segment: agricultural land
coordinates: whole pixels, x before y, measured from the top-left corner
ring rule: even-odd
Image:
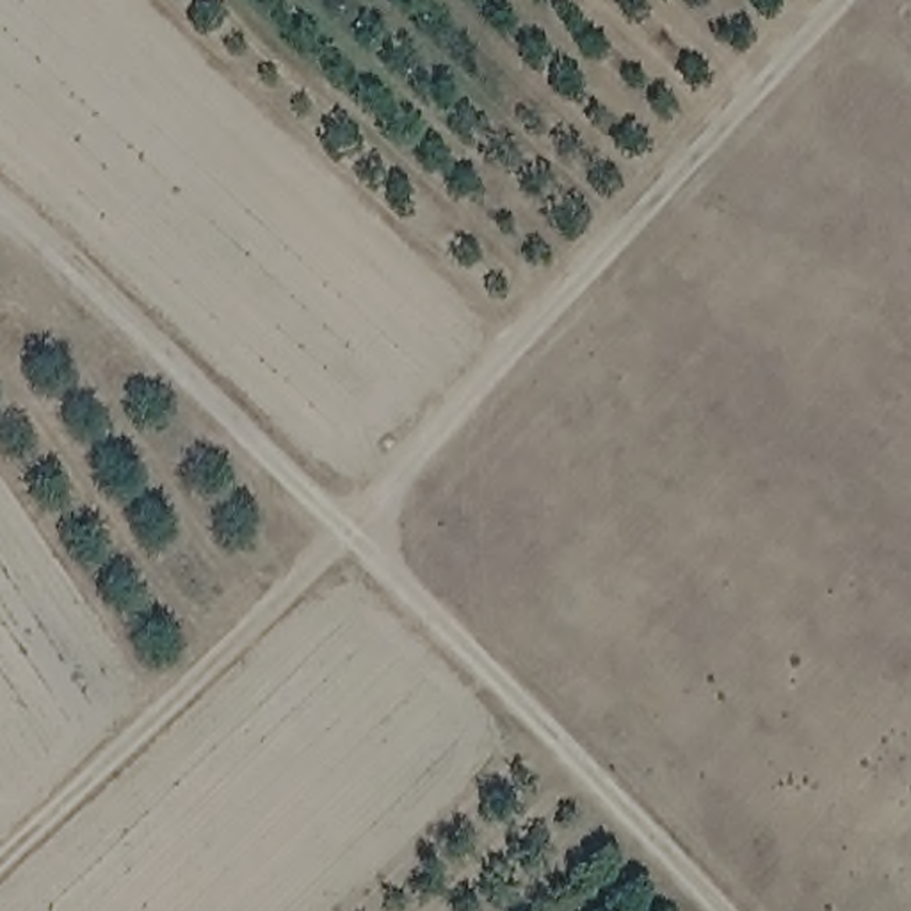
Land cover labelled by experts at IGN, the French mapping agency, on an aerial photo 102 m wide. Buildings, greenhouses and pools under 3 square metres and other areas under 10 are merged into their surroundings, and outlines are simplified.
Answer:
[[[96,655],[107,651],[121,633],[128,633],[117,612],[100,598],[96,580],[82,573],[82,566],[60,544],[60,537],[50,544],[43,530],[32,523],[28,509],[36,502],[28,495],[21,502],[14,488],[0,477],[0,829],[7,829],[11,818],[18,818],[39,797],[39,790],[46,790],[110,726],[103,705],[89,705],[75,690],[71,673],[57,665],[57,658],[46,651],[39,626],[32,623],[32,612],[43,609],[43,616],[57,623],[60,633],[82,626],[82,637],[93,644]]]
[[[267,644],[249,658],[246,669],[235,673],[235,680],[217,687],[189,719],[181,719],[157,744],[157,751],[149,751],[121,783],[114,783],[93,808],[85,808],[46,851],[39,851],[0,890],[0,911],[338,911],[349,900],[349,890],[374,883],[391,854],[406,847],[416,851],[420,840],[434,851],[445,843],[438,822],[463,815],[477,808],[480,779],[505,772],[523,776],[527,769],[523,758],[512,758],[505,751],[495,719],[477,705],[477,694],[484,687],[406,605],[399,605],[399,598],[356,555],[342,555],[278,612],[285,626],[274,637],[267,637]]]
[[[858,0],[818,39],[818,46],[779,82],[779,89],[772,89],[737,125],[737,132],[712,153],[712,160],[680,185],[669,206],[601,270],[601,278],[591,281],[591,288],[580,299],[573,299],[555,317],[555,324],[516,359],[516,367],[477,406],[477,413],[459,427],[459,434],[431,459],[431,466],[409,488],[399,512],[399,552],[409,573],[445,609],[452,609],[456,619],[477,637],[477,644],[495,662],[502,662],[566,726],[566,733],[644,808],[644,815],[712,879],[712,886],[730,904],[737,904],[737,911],[911,911],[911,0]]]
[[[302,452],[345,473],[349,495],[370,491],[391,470],[388,445],[409,441],[427,423],[427,416],[445,399],[452,399],[452,391],[484,363],[495,338],[480,335],[480,317],[466,310],[466,302],[384,224],[381,214],[370,214],[359,203],[356,189],[363,181],[359,178],[349,185],[335,178],[335,160],[324,153],[320,142],[306,149],[292,142],[260,107],[253,107],[253,100],[231,89],[224,75],[217,75],[196,53],[189,36],[196,28],[192,25],[189,32],[174,28],[146,0],[0,0],[0,164],[11,178],[32,189],[57,217],[64,217],[121,278],[128,278],[139,295],[146,295],[164,317],[171,317],[181,327],[181,335],[221,374],[228,374],[263,413],[270,413],[274,423]]]

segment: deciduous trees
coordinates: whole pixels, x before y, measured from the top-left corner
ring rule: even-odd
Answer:
[[[93,480],[121,502],[135,537],[146,548],[164,548],[178,534],[174,509],[167,505],[160,488],[149,488],[135,445],[114,434],[107,409],[96,402],[89,388],[78,384],[68,349],[64,356],[39,356],[36,363],[28,363],[25,377],[36,391],[60,402],[64,427],[89,448]]]
[[[473,196],[480,192],[480,178],[473,164],[456,160],[441,135],[423,125],[420,110],[406,103],[416,89],[445,110],[445,121],[456,128],[459,139],[466,139],[484,157],[512,171],[520,178],[520,189],[537,199],[541,217],[548,217],[562,235],[573,238],[584,235],[591,221],[584,196],[576,189],[566,189],[552,174],[544,157],[527,160],[509,128],[495,128],[484,117],[484,110],[502,96],[502,68],[473,46],[466,28],[459,28],[448,18],[445,7],[452,0],[253,0],[299,57],[317,60],[331,85],[356,96],[377,117],[377,128],[388,139],[409,146],[416,160],[438,171],[452,192]]]
[[[57,456],[43,456],[28,466],[28,495],[36,502],[39,509],[50,509],[57,498],[68,495],[68,477]]]
[[[598,192],[609,196],[619,189],[623,174],[612,160],[601,160],[587,171],[587,178]]]
[[[480,18],[498,32],[516,18],[509,0],[470,0],[470,7],[477,7]]]
[[[648,149],[648,128],[623,114],[609,135],[630,153]]]
[[[356,164],[359,178],[363,181],[370,189],[384,189],[388,203],[399,214],[409,214],[413,199],[402,167],[388,167],[377,153],[367,153]]]
[[[139,427],[160,431],[174,409],[174,391],[164,377],[142,374],[125,381],[125,413]]]
[[[712,32],[722,43],[744,50],[754,36],[751,21],[747,14],[730,14],[712,25]]]
[[[320,142],[324,153],[335,160],[342,157],[342,146],[359,142],[359,125],[335,107],[331,114],[324,114]]]
[[[228,456],[221,448],[210,441],[196,441],[178,466],[181,484],[214,491],[221,480],[235,473]]]
[[[192,25],[196,28],[206,32],[224,18],[221,0],[192,0]]]
[[[25,452],[36,441],[36,434],[21,409],[0,413],[0,456]]]
[[[128,633],[135,658],[146,665],[164,669],[181,658],[178,619],[149,598],[132,559],[110,548],[110,537],[93,509],[60,516],[60,537],[60,544],[82,566],[82,573],[96,580],[100,598],[117,612]]]
[[[651,900],[658,893],[648,872],[619,897],[612,897],[605,911],[655,911]]]
[[[441,868],[463,858],[466,843],[473,840],[473,829],[463,815],[438,822],[445,843],[434,851],[431,861],[416,858],[409,879],[402,879],[399,886],[381,886],[384,907],[391,911],[473,911],[477,893],[491,900],[498,890],[516,886],[516,879],[502,879],[495,865],[520,858],[520,865],[534,865],[548,847],[548,833],[541,818],[527,822],[523,836],[509,833],[502,851],[491,851],[484,858],[477,879],[452,886],[445,883]]]
[[[701,53],[680,50],[676,68],[690,85],[712,78]]]
[[[626,868],[630,858],[616,843],[598,851],[587,865],[580,865],[576,875],[555,893],[555,900],[541,900],[537,911],[580,911],[587,900],[598,897],[605,883],[612,883]]]
[[[527,769],[523,776],[505,772],[480,779],[477,808],[488,818],[516,811],[516,794],[537,786],[537,776]]]
[[[555,50],[548,64],[548,85],[573,100],[584,89],[584,78],[576,71],[576,60]]]
[[[246,488],[238,488],[210,509],[214,537],[228,552],[253,544],[260,520],[256,498]]]
[[[591,57],[601,57],[609,39],[598,25],[584,18],[584,11],[573,0],[552,0],[569,36]]]

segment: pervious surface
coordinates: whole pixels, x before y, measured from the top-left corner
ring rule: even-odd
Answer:
[[[128,278],[121,278],[64,217],[57,217],[32,189],[11,178],[0,164],[0,235],[7,235],[18,249],[32,246],[43,256],[43,263],[53,274],[60,274],[93,313],[117,327],[142,356],[142,374],[164,377],[174,391],[199,402],[224,427],[228,441],[221,448],[228,456],[242,448],[295,498],[299,509],[306,509],[317,520],[317,527],[313,541],[306,544],[306,552],[299,552],[292,569],[281,573],[274,587],[260,601],[253,601],[249,612],[238,616],[238,623],[217,644],[210,644],[192,665],[185,665],[181,658],[164,669],[146,665],[135,658],[128,633],[121,633],[107,651],[96,655],[93,644],[82,637],[82,626],[60,633],[57,623],[43,616],[43,609],[32,612],[32,623],[39,626],[46,651],[57,658],[57,665],[71,673],[75,690],[89,705],[103,705],[110,726],[46,790],[39,790],[39,797],[18,818],[11,818],[7,829],[0,829],[0,890],[39,851],[46,851],[85,808],[93,808],[114,783],[121,783],[149,751],[157,751],[157,744],[181,719],[189,719],[217,687],[235,680],[235,673],[246,669],[249,658],[267,644],[267,637],[274,637],[285,626],[278,612],[342,555],[356,555],[399,598],[399,605],[406,605],[484,687],[559,758],[559,765],[576,779],[576,786],[601,804],[601,811],[612,822],[609,833],[616,833],[619,840],[626,836],[641,847],[637,861],[648,865],[648,872],[665,872],[676,886],[673,900],[694,900],[701,911],[737,911],[737,904],[730,904],[712,886],[712,879],[644,815],[644,808],[566,733],[566,726],[502,662],[495,662],[477,644],[477,637],[456,619],[452,609],[445,609],[409,573],[399,552],[399,512],[409,488],[431,466],[431,459],[459,434],[459,427],[477,413],[477,406],[516,367],[516,359],[555,324],[555,317],[573,299],[580,299],[591,288],[591,281],[601,278],[601,270],[669,206],[680,185],[712,160],[712,153],[737,132],[737,125],[772,89],[779,89],[779,82],[818,46],[818,39],[858,0],[818,0],[808,7],[808,18],[797,32],[769,46],[769,60],[758,71],[744,57],[737,57],[722,71],[722,78],[733,82],[733,100],[722,110],[708,110],[708,128],[673,153],[662,178],[651,189],[644,189],[644,196],[623,217],[616,217],[601,231],[591,221],[584,235],[573,238],[573,246],[562,253],[569,260],[566,274],[555,274],[541,299],[527,302],[523,313],[509,320],[495,338],[484,363],[452,391],[452,399],[445,399],[427,416],[427,423],[409,441],[388,445],[391,470],[370,491],[349,495],[345,473],[302,452],[274,423],[270,413],[263,413],[228,374],[221,374],[181,335],[181,327],[171,317],[164,317],[146,295],[139,295]]]

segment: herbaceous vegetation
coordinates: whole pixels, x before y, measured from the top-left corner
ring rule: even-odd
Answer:
[[[96,402],[107,409],[114,434],[135,445],[149,488],[160,488],[167,505],[174,509],[178,534],[164,548],[146,548],[135,537],[121,502],[93,480],[89,448],[64,427],[60,402],[36,391],[25,377],[28,363],[36,363],[39,356],[64,356],[68,349],[78,384],[89,388]],[[57,498],[50,509],[39,509],[36,502],[28,509],[32,523],[43,530],[50,544],[60,537],[60,516],[93,509],[110,537],[110,548],[132,559],[149,598],[178,619],[181,658],[185,665],[192,665],[210,644],[217,644],[238,623],[238,616],[249,612],[253,601],[260,601],[274,587],[281,573],[292,569],[299,552],[306,552],[306,544],[313,541],[317,527],[317,520],[306,509],[299,509],[295,498],[242,448],[228,456],[235,473],[221,480],[214,491],[181,484],[178,466],[196,441],[210,441],[221,448],[228,441],[224,427],[199,402],[174,391],[174,409],[160,431],[139,427],[125,413],[125,381],[142,374],[142,356],[117,327],[93,313],[60,274],[53,274],[43,263],[43,256],[32,246],[18,249],[7,235],[0,235],[0,413],[21,409],[36,434],[36,441],[25,452],[0,456],[0,477],[14,488],[21,502],[28,495],[28,466],[43,456],[57,456],[68,477],[68,495]],[[228,552],[214,537],[210,509],[238,488],[246,488],[256,498],[260,520],[253,544]]]
[[[466,139],[459,139],[456,128],[445,121],[445,110],[416,89],[406,103],[420,110],[423,125],[441,135],[456,160],[473,164],[480,178],[480,192],[473,196],[452,192],[438,171],[416,160],[409,146],[388,139],[377,128],[377,117],[356,96],[331,85],[317,60],[299,57],[253,0],[221,0],[224,18],[206,32],[196,28],[189,36],[196,53],[217,75],[224,75],[231,89],[253,100],[253,107],[260,107],[292,142],[306,149],[320,142],[324,114],[331,114],[335,107],[359,125],[359,142],[342,146],[342,157],[335,160],[335,178],[349,185],[359,178],[356,164],[367,153],[377,153],[388,167],[402,167],[413,199],[409,214],[399,214],[388,203],[384,189],[370,189],[363,181],[356,189],[359,203],[370,214],[381,214],[384,224],[466,302],[466,310],[480,317],[480,335],[495,338],[509,320],[523,313],[527,302],[541,299],[555,274],[566,274],[569,260],[562,253],[573,246],[573,238],[562,235],[548,217],[541,217],[537,199],[520,189],[520,178],[512,171],[484,157]]]
[[[495,719],[505,751],[512,758],[523,758],[527,769],[537,776],[537,786],[516,794],[516,811],[488,818],[477,808],[463,815],[473,829],[473,840],[466,843],[463,858],[441,868],[445,883],[452,886],[477,879],[484,858],[491,851],[502,851],[509,833],[523,836],[527,822],[541,818],[548,833],[548,847],[534,865],[520,865],[520,858],[495,865],[502,879],[516,879],[516,886],[498,890],[491,900],[477,893],[473,911],[537,911],[541,900],[555,900],[555,893],[576,875],[580,865],[587,865],[598,851],[616,843],[630,858],[626,868],[612,883],[605,883],[598,897],[587,900],[580,911],[605,911],[612,897],[619,897],[648,872],[648,865],[637,861],[641,847],[626,836],[619,840],[616,833],[609,833],[612,822],[601,811],[601,804],[576,786],[576,779],[559,765],[559,758],[484,687],[477,694],[477,705]]]
[[[651,189],[662,178],[673,153],[708,128],[708,110],[722,110],[733,100],[733,82],[722,78],[722,71],[737,57],[744,57],[758,71],[769,60],[769,46],[797,32],[808,18],[808,7],[818,0],[573,0],[584,11],[584,18],[598,25],[609,39],[601,57],[591,57],[569,36],[552,0],[509,0],[516,18],[498,32],[480,18],[477,7],[470,7],[470,0],[452,0],[445,7],[448,18],[459,28],[466,28],[473,46],[502,68],[502,96],[484,110],[484,117],[495,128],[509,128],[527,160],[544,157],[552,174],[566,189],[576,189],[584,196],[591,221],[601,231],[616,217],[623,217],[644,196],[644,189]],[[712,25],[730,14],[747,14],[751,21],[754,36],[744,50],[722,43],[712,32]],[[576,60],[576,71],[584,78],[584,89],[573,100],[548,85],[548,64],[555,50]],[[676,68],[680,50],[701,53],[712,78],[690,85]],[[648,149],[630,153],[609,135],[623,114],[648,128]],[[619,189],[609,196],[598,192],[587,178],[587,171],[601,160],[612,160],[623,174]]]
[[[192,25],[192,0],[146,0],[174,28],[189,32]]]
[[[651,900],[655,911],[701,911],[694,900],[673,900],[676,886],[665,872],[648,872],[658,893]]]
[[[406,847],[391,854],[374,883],[349,890],[349,900],[338,911],[391,911],[384,907],[381,886],[399,886],[402,879],[409,879],[416,858],[431,861],[434,851],[420,840],[416,851]]]

